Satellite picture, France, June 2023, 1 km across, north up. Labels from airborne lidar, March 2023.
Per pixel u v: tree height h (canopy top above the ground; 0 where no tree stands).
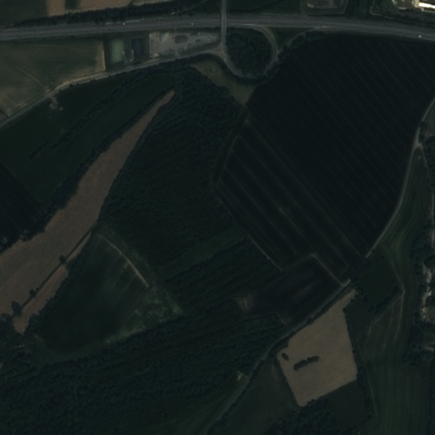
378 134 0
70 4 0
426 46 0
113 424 12
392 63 0
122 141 0
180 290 11
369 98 0
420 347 8
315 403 6
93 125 0
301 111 0
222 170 0
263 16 0
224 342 7
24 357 10
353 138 0
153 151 13
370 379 0
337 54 0
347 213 0
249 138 0
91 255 0
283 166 0
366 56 0
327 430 15
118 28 0
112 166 0
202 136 14
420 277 7
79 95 0
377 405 0
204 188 14
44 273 0
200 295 12
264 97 0
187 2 11
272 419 0
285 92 0
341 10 0
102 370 19
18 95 0
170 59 0
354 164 0
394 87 0
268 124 0
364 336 0
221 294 14
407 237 0
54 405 31
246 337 9
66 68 0
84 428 11
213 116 14
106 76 0
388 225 0
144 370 11
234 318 16
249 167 0
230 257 14
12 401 27
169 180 14
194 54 0
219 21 0
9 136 0
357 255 0
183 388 15
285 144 0
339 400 0
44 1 0
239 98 0
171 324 16
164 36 0
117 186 7
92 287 0
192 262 0
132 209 11
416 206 0
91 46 0
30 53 0
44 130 0
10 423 29
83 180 0
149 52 0
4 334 10
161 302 0
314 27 0
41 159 0
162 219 13
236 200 0
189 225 11
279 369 6
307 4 0
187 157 16
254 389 0
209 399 0
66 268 0
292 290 0
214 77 0
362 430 0
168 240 11
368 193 0
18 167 0
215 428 7
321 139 0
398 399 0
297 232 0
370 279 0
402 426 0
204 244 0
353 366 0
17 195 0
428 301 11
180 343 15
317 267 0
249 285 17
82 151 0
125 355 16
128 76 0
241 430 0
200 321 17
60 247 0
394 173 0
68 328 0
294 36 0
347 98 0
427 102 0
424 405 0
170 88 7
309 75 0
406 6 0
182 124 15
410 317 0
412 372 0
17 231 0
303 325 0
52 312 0
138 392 14
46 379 24
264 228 0
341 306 0
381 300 0
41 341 0
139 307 0
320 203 0
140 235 13
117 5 0
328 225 0
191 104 10
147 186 8
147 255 9
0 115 0
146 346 13
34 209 0
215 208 15
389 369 0
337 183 0
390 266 0
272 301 0
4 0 0
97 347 0
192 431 0
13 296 0
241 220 0
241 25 0
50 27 0
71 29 0
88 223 0
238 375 0
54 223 0
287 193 0
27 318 0
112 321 0
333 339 0
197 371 16
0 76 0
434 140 13
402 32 0
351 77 0
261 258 13
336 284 0
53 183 0
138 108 0
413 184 0
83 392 27
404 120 0
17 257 0
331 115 0
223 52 0
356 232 0
